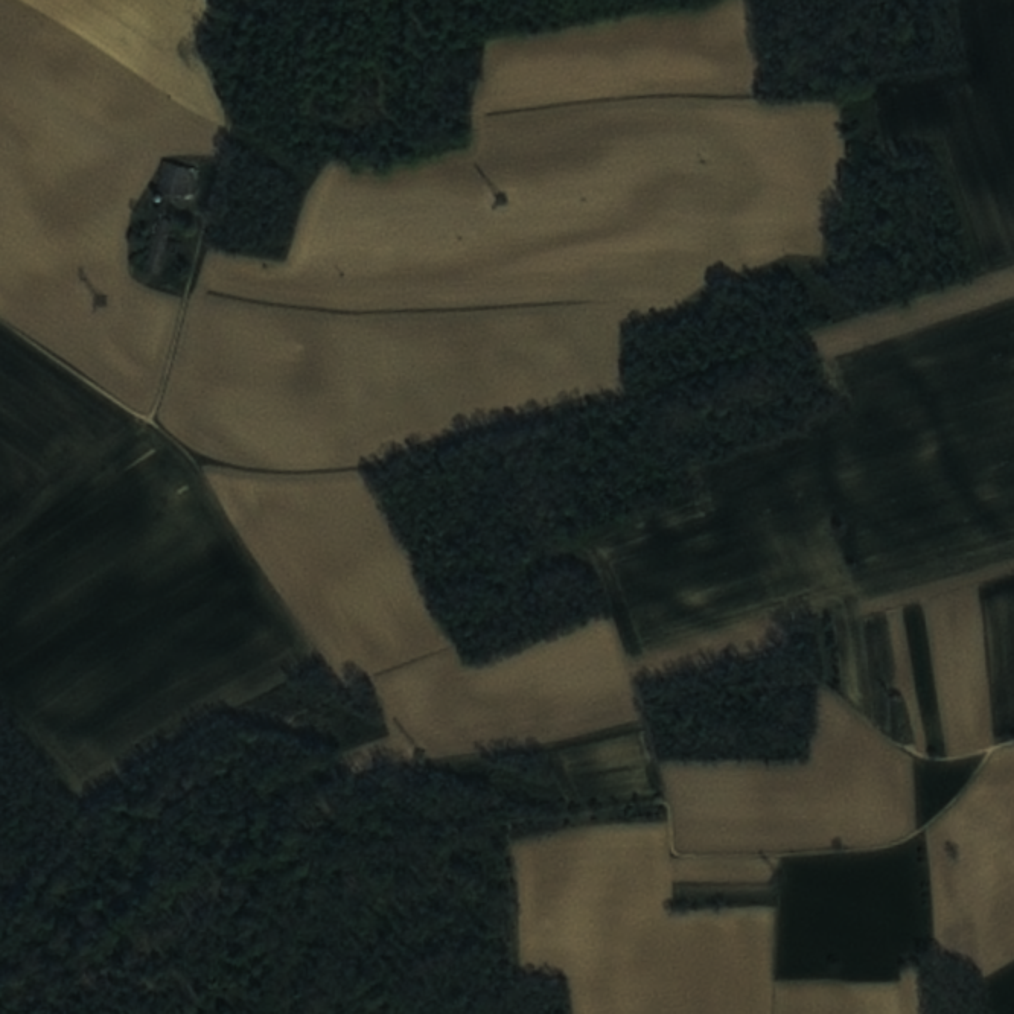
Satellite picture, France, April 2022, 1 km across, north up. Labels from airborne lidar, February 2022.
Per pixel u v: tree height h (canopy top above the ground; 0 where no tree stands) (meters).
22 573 0
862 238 26
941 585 0
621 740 0
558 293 0
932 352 0
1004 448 0
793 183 0
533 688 0
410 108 21
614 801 8
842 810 0
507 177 0
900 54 25
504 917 25
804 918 0
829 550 0
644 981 0
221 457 0
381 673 0
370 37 18
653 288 0
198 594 0
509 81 0
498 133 0
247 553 0
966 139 0
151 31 0
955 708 0
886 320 0
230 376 0
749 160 0
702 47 0
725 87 0
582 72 0
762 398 29
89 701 0
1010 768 0
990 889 0
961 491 0
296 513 0
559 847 0
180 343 0
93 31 0
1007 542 0
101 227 0
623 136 0
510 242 0
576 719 0
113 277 0
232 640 0
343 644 0
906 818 0
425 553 16
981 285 0
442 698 0
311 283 0
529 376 0
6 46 0
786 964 0
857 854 0
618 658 0
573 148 0
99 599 0
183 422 0
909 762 0
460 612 25
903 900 0
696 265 0
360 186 0
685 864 0
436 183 0
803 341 26
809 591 0
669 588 0
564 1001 7
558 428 32
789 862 0
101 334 0
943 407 0
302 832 34
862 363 0
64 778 0
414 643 0
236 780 24
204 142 0
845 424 0
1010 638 0
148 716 0
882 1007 0
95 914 34
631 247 0
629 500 7
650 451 27
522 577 25
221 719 20
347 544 0
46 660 0
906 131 0
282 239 14
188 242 0
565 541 26
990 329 0
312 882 28
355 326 0
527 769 19
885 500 0
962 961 17
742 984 0
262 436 0
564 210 0
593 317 0
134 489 0
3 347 0
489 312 0
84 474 0
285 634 0
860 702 0
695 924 0
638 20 0
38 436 0
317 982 24
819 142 0
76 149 0
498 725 0
